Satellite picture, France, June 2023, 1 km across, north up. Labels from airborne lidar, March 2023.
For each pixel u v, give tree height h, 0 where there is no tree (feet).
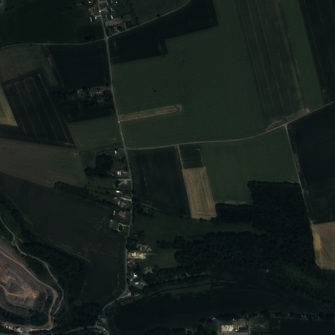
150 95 0
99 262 0
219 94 0
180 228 0
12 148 0
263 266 77
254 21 0
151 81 0
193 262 19
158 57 0
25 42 0
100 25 0
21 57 0
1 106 0
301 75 0
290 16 0
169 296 0
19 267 0
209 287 0
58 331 26
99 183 0
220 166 0
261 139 0
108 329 0
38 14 0
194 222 0
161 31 0
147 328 0
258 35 0
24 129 0
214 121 0
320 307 0
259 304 0
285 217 52
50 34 0
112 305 0
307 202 0
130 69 0
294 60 0
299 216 41
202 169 0
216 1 0
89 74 0
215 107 0
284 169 0
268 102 0
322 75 0
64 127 0
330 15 0
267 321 0
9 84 0
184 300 0
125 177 0
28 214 0
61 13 0
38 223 0
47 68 0
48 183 0
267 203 44
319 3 0
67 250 0
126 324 0
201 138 0
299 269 22
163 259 0
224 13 0
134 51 0
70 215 0
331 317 55
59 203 0
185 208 0
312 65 0
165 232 0
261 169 0
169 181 0
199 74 0
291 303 0
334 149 0
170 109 0
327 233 0
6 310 0
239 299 0
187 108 0
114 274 0
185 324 0
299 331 0
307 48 0
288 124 0
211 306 0
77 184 0
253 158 0
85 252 0
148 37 0
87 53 0
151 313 0
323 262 0
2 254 0
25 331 0
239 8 0
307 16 0
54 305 0
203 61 0
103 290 0
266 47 0
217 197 0
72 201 0
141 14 0
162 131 0
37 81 0
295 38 0
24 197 0
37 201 0
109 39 0
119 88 0
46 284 0
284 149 0
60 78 0
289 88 0
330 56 0
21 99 0
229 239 87
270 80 0
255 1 0
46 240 0
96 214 0
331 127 0
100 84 0
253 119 0
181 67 0
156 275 49
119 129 0
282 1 0
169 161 0
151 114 0
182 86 0
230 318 52
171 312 0
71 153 0
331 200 0
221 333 0
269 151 0
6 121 0
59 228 0
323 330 0
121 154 0
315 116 0
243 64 0
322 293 19
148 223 0
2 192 0
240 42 0
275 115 0
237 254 74
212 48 0
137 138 0
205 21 0
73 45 0
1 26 0
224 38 0
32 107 0
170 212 0
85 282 0
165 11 0
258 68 0
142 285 0
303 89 0
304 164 0
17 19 0
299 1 0
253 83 0
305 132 0
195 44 0
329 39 0
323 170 0
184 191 0
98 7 0
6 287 0
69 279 19
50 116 0
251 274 0
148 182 0
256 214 47
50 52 0
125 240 0
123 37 0
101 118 0
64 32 0
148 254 0
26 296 0
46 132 0
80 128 0
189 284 0
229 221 25
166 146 0
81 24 0
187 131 0
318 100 0
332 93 0
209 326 0
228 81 0
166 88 0
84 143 0
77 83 0
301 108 0
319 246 0
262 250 79
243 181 0
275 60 0
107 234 0
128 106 0
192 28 0
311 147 0
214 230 0
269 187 45
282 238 28
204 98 0
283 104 0
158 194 0
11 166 0
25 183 0
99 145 0
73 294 31
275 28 0
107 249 0
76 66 0
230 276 0
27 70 0
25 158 0
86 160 0
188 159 0
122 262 0
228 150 0
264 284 0
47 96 0
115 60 0
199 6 0
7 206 60
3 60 0
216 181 0
